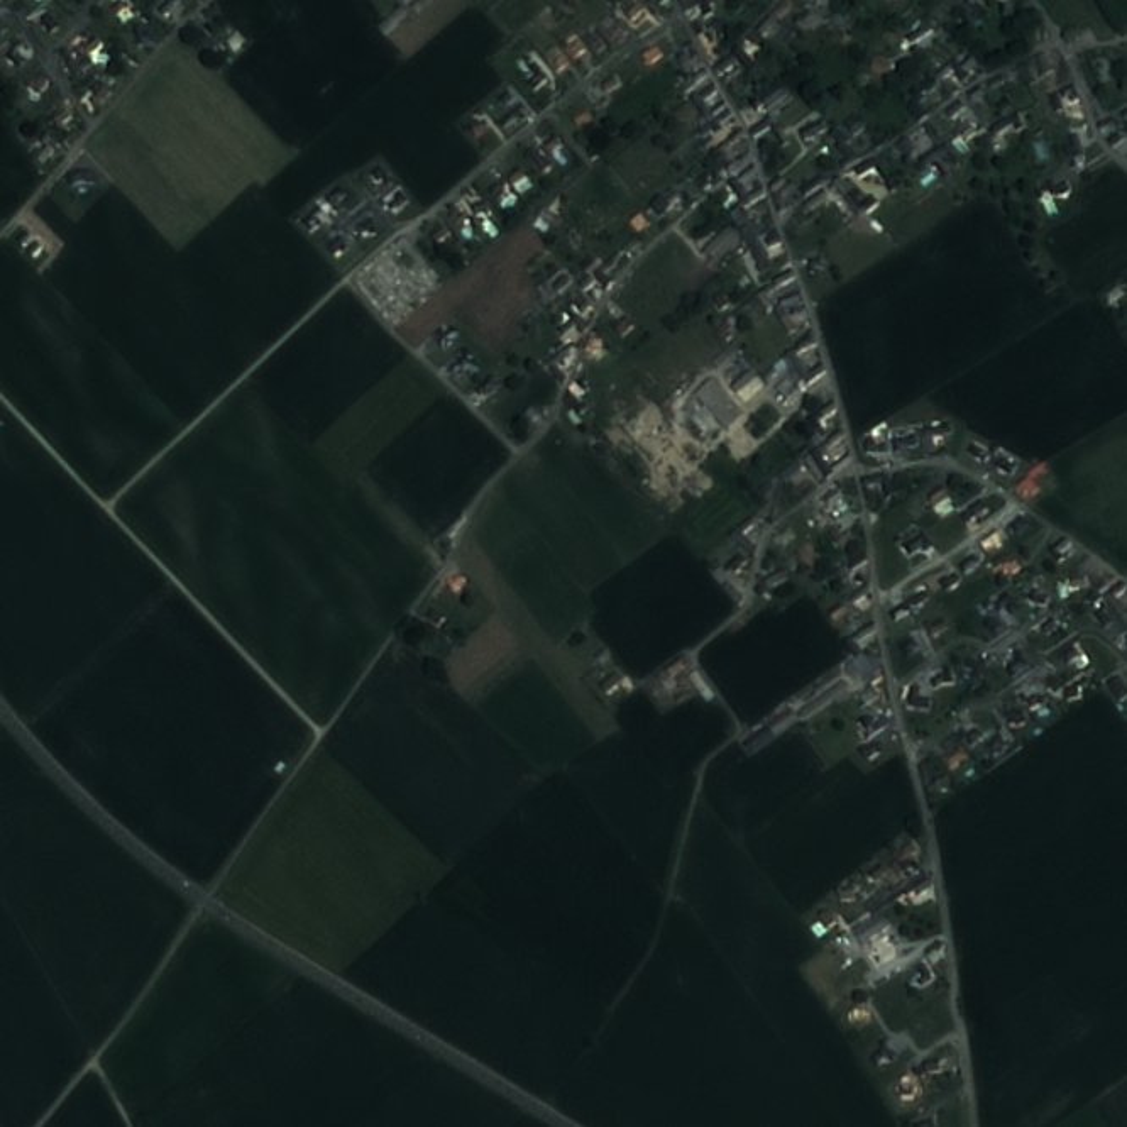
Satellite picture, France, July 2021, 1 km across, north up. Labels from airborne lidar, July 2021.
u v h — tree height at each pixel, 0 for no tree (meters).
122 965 0
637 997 0
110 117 0
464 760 0
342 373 0
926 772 7
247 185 0
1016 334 0
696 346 0
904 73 19
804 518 0
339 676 0
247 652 0
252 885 0
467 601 14
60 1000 0
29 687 0
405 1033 0
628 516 0
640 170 0
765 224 8
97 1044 0
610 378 0
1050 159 0
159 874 0
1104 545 0
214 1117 0
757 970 0
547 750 0
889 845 6
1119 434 0
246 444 0
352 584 0
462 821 0
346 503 0
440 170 0
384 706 0
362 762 0
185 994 0
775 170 7
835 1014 0
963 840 0
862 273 0
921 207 0
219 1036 0
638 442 0
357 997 0
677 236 0
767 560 7
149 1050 0
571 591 0
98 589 0
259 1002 0
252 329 0
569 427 0
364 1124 0
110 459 0
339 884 0
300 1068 0
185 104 0
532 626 0
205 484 0
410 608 0
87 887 0
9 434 0
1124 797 0
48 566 0
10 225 0
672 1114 0
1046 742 0
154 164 0
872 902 0
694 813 0
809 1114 0
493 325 0
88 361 0
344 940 0
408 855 0
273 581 0
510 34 0
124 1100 0
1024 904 0
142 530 0
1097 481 0
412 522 0
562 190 0
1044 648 0
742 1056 0
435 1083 0
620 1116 0
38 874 0
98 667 0
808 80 6
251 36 0
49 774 0
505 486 0
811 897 0
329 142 0
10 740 0
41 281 0
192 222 0
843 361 0
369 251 0
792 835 0
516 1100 0
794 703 0
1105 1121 0
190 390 0
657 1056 0
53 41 0
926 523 0
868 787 0
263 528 0
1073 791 0
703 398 0
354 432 0
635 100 0
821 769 0
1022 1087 0
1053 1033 0
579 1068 0
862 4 10
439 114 0
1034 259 17
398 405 0
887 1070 0
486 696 0
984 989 0
